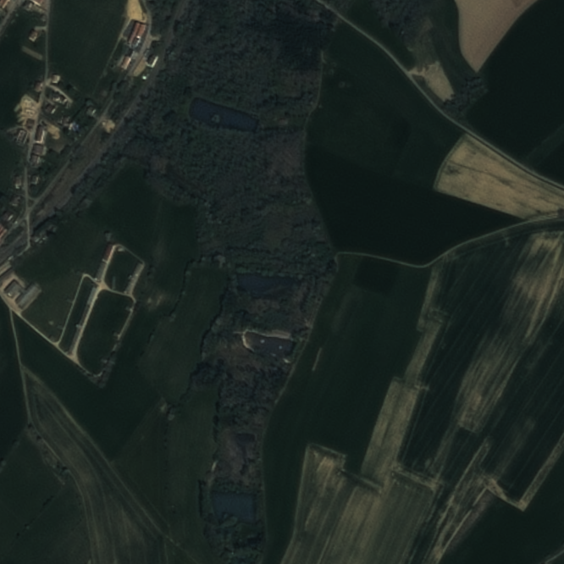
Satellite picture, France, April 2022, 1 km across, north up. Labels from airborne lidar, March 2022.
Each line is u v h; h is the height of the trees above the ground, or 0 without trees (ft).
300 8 67
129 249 0
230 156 31
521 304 0
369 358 0
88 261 0
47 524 0
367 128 0
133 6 0
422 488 0
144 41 0
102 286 0
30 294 0
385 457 0
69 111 0
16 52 0
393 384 0
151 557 0
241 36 65
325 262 26
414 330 0
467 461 0
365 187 0
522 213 0
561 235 0
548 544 0
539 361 0
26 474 0
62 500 0
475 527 0
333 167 0
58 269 0
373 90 0
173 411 37
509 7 0
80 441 0
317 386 0
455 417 0
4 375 0
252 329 22
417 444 0
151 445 0
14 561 0
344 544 0
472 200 0
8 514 0
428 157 0
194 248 0
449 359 0
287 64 57
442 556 0
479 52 0
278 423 0
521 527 0
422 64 0
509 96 0
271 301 0
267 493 0
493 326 0
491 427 0
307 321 0
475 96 33
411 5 44
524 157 0
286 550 0
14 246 0
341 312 0
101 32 0
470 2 0
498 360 0
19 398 0
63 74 0
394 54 0
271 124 0
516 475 0
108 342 0
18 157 0
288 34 67
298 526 0
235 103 72
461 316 0
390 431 0
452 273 0
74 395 0
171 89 52
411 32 25
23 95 0
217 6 66
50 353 0
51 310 0
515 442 0
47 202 0
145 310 0
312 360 0
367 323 0
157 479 0
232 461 0
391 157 0
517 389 0
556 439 0
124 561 0
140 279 0
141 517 0
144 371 0
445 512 0
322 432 0
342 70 0
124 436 0
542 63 0
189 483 0
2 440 0
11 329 0
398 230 0
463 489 0
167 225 0
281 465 0
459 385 0
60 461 0
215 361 0
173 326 0
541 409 0
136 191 0
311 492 0
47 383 0
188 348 0
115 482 0
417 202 0
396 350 0
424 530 0
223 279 0
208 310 0
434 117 0
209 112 0
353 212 0
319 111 0
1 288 0
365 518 0
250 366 0
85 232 0
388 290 0
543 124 0
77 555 0
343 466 0
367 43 0
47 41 0
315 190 0
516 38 0
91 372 0
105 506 0
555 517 0
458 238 0
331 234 0
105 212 0
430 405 0
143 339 0
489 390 0
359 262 0
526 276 0
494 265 0
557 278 0
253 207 71
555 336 0
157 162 96
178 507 0
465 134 0
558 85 0
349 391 0
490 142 0
